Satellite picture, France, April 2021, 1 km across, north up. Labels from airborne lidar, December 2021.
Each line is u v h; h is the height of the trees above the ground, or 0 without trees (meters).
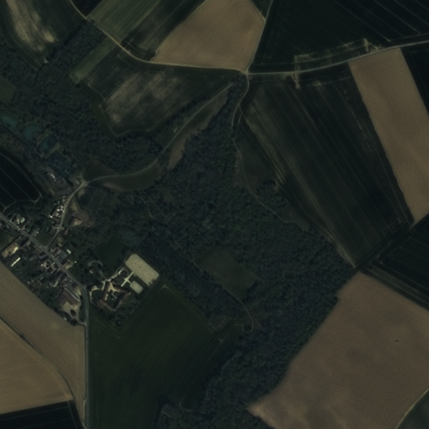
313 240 15
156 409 0
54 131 11
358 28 0
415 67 0
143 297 9
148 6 0
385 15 0
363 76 0
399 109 0
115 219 18
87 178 0
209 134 10
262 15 0
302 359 0
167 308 0
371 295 0
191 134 0
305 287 30
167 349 0
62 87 11
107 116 0
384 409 0
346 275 19
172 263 21
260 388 12
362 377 0
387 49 0
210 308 24
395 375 0
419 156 0
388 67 0
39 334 0
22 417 0
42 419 0
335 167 0
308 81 0
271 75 0
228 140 18
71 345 0
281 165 0
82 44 18
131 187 0
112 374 0
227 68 0
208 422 30
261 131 0
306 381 0
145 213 25
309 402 0
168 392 0
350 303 0
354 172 0
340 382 0
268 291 20
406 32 0
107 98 0
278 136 0
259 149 0
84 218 0
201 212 24
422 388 0
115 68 0
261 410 0
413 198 0
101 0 0
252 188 0
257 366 11
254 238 18
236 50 0
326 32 0
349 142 0
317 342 0
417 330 0
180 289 19
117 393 0
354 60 0
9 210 0
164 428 18
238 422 19
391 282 0
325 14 0
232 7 0
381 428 0
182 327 0
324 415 0
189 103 0
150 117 0
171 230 17
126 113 0
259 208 9
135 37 0
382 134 0
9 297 0
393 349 0
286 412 0
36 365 0
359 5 0
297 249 9
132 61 0
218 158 17
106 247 0
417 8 0
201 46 0
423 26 0
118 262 7
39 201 0
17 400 0
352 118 0
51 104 21
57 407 0
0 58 18
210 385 22
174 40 0
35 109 9
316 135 0
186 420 21
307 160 0
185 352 0
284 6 0
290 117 0
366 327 0
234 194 6
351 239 0
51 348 0
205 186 10
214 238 10
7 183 0
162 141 10
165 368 0
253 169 0
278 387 17
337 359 0
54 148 30
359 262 0
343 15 0
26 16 0
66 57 18
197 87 0
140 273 0
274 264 19
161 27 0
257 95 0
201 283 21
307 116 0
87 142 8
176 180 23
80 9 0
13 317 0
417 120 0
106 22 0
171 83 0
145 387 0
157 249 20
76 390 0
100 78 0
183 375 0
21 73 13
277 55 0
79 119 20
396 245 0
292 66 0
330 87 0
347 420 0
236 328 0
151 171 0
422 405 0
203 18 0
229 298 24
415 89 0
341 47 0
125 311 13
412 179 0
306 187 0
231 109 14
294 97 0
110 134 0
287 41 0
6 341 0
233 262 0
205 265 0
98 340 0
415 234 0
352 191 0
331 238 0
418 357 0
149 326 0
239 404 22
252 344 18
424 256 0
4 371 0
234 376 27
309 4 0
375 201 0
